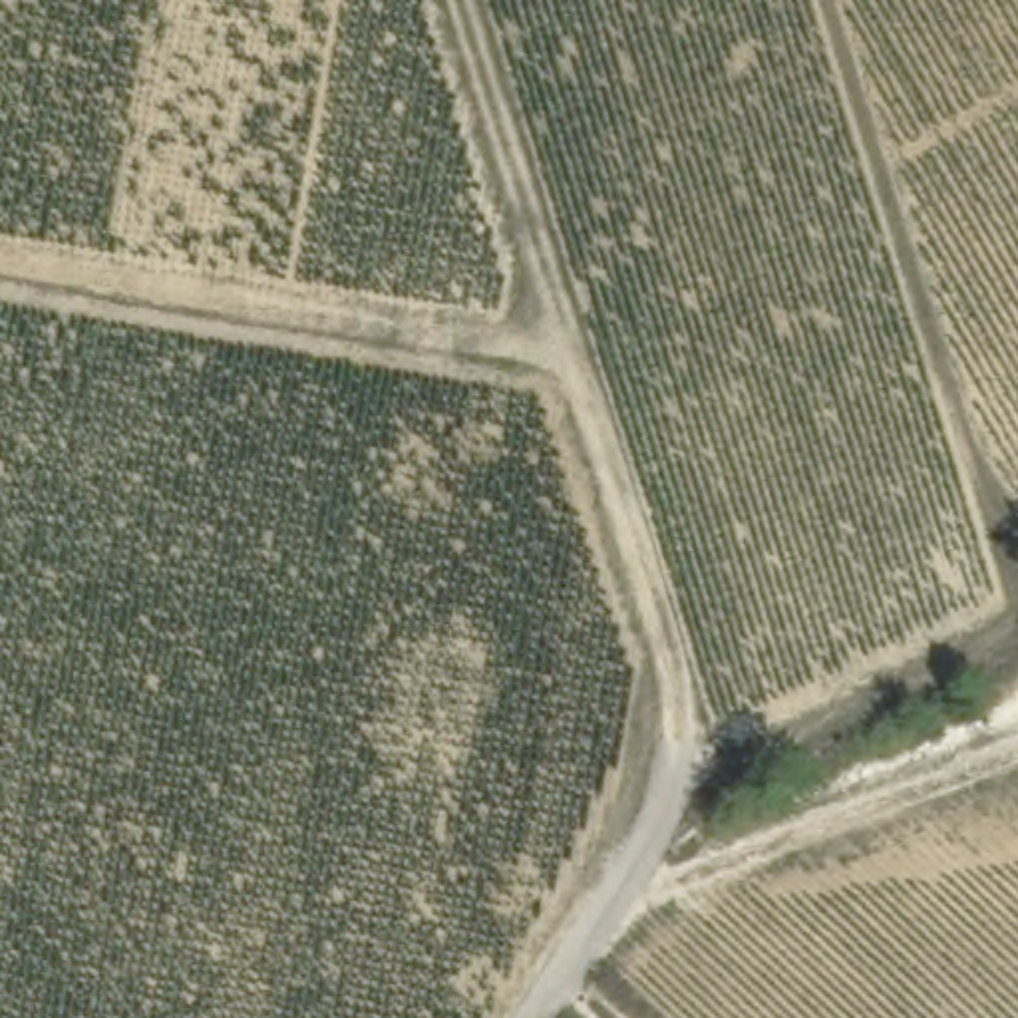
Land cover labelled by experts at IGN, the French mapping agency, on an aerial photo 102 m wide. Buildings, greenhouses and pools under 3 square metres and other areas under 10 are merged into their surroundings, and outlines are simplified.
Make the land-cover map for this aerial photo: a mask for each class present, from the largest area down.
<instances>
[{"label":"vineyard","instance_id":"1","mask_svg":"<svg viewBox=\"0 0 1018 1018\"><path fill-rule=\"evenodd\" d=\"M477 203L469 191V159L453 119L449 87L441 80V60L425 32L422 0H0V235L123 251L139 258H175L183 251L187 262H199L195 243H215L227 251L231 262H251L270 278L410 294L449 306H493L501 294V270L489 231H473ZM485 16V40L517 119L521 151L525 159H541V175L557 203L565 235V251H557L561 286L581 326L585 362L608 390L612 422L624 437L632 473L652 509L660 557L668 565L680 616L692 636L696 724L712 752L724 740H748L764 732L767 724L783 728L791 740L803 744V752L811 756H835L843 744L867 740L887 716H895L911 700L950 704L954 680L962 672H986V684H994L1006 696L1018 688V0H477ZM632 680L616 624L608 616V600L596 581L593 553L585 545V529L565 493V473L557 465V449L537 394L0 302V1018H481L477 1006H465L457 1014L453 974L473 954H489L497 970L513 966L517 938H525V931L541 919V899L557 883L561 863L573 855V839L589 819V803L600 795L608 767L616 764ZM585 982L604 990L632 1018H1018V767L994 779H978L974 787H958L942 799L915 803L891 819L795 847L748 871L744 879L716 887V907L708 915L680 911L676 903L644 911L628 927V934H620L612 950L585 970Z\"/></svg>","mask_w":1018,"mask_h":1018},{"label":"herbaceous vegetation","instance_id":"2","mask_svg":"<svg viewBox=\"0 0 1018 1018\"><path fill-rule=\"evenodd\" d=\"M425 32L441 60V80L449 87L453 119L469 159V191L477 203L473 231H489L501 270V294L493 306H449L410 294L270 278L251 262H231L227 251L215 243H195L199 262H187L183 251L175 258H139L123 251L0 235V302L537 394L557 449V465L565 473V493L585 529V545L593 553L596 581L608 600V616L616 624L632 680L616 764L608 767L600 795L589 803V819L573 839V855L561 863L557 883L541 899V919L525 931V938H517L513 966L497 970L489 954H473L453 974L457 1014L465 1006H477L481 1018H505L529 994V974L537 970V958L573 923L577 903L600 883L608 851H616L632 835L660 752L656 656L648 628L640 620L628 565L616 545V529L600 493L589 441L573 414V398L561 374H553L549 366L481 354L489 342L505 334L533 330L541 322V298L561 286L557 251H565V235L557 203L541 175V159H525L521 151L517 119L485 40V16L477 0H422Z\"/></svg>","mask_w":1018,"mask_h":1018},{"label":"pervious surface","instance_id":"3","mask_svg":"<svg viewBox=\"0 0 1018 1018\"><path fill-rule=\"evenodd\" d=\"M481 354L549 366L553 374H561L573 398V414L589 441L600 493L616 529V545L628 565L640 620L648 628L656 656L660 752L632 835L616 851H608L600 883L577 903L573 923L537 958V970L529 974V994L505 1018H632L604 990L585 982V970L612 950L620 934H628V927L644 911L676 903L680 911L708 915L716 907V887L744 879L748 871L795 847L891 819L915 803L942 799L958 787H974L978 779H994L1018 767V688L1006 696L990 716L954 724L938 740L915 744L899 756L855 764L811 791V811L716 843L700 827V815L688 807L696 771L712 760V752L696 724L692 636L680 616L668 565L660 557L652 509L632 473L624 437L612 422L608 390L585 362L581 326L561 286L541 298V322L533 330L505 334L489 342Z\"/></svg>","mask_w":1018,"mask_h":1018},{"label":"deciduous trees","instance_id":"4","mask_svg":"<svg viewBox=\"0 0 1018 1018\"><path fill-rule=\"evenodd\" d=\"M791 740L783 728L767 724L764 732L748 740H724L712 752V760L696 771L688 807L700 815V827L716 843L811 811V791L799 795L791 783L775 775V756L787 752Z\"/></svg>","mask_w":1018,"mask_h":1018},{"label":"brushwood","instance_id":"5","mask_svg":"<svg viewBox=\"0 0 1018 1018\"><path fill-rule=\"evenodd\" d=\"M1006 696L994 684H986V672H962L954 680L950 704L911 700L895 716H887L867 740L843 744L835 756H811L803 752V744L791 740L787 752L775 756V775L791 783L799 795L811 791L855 764L899 756L915 744L938 740L954 724L990 716Z\"/></svg>","mask_w":1018,"mask_h":1018}]
</instances>
